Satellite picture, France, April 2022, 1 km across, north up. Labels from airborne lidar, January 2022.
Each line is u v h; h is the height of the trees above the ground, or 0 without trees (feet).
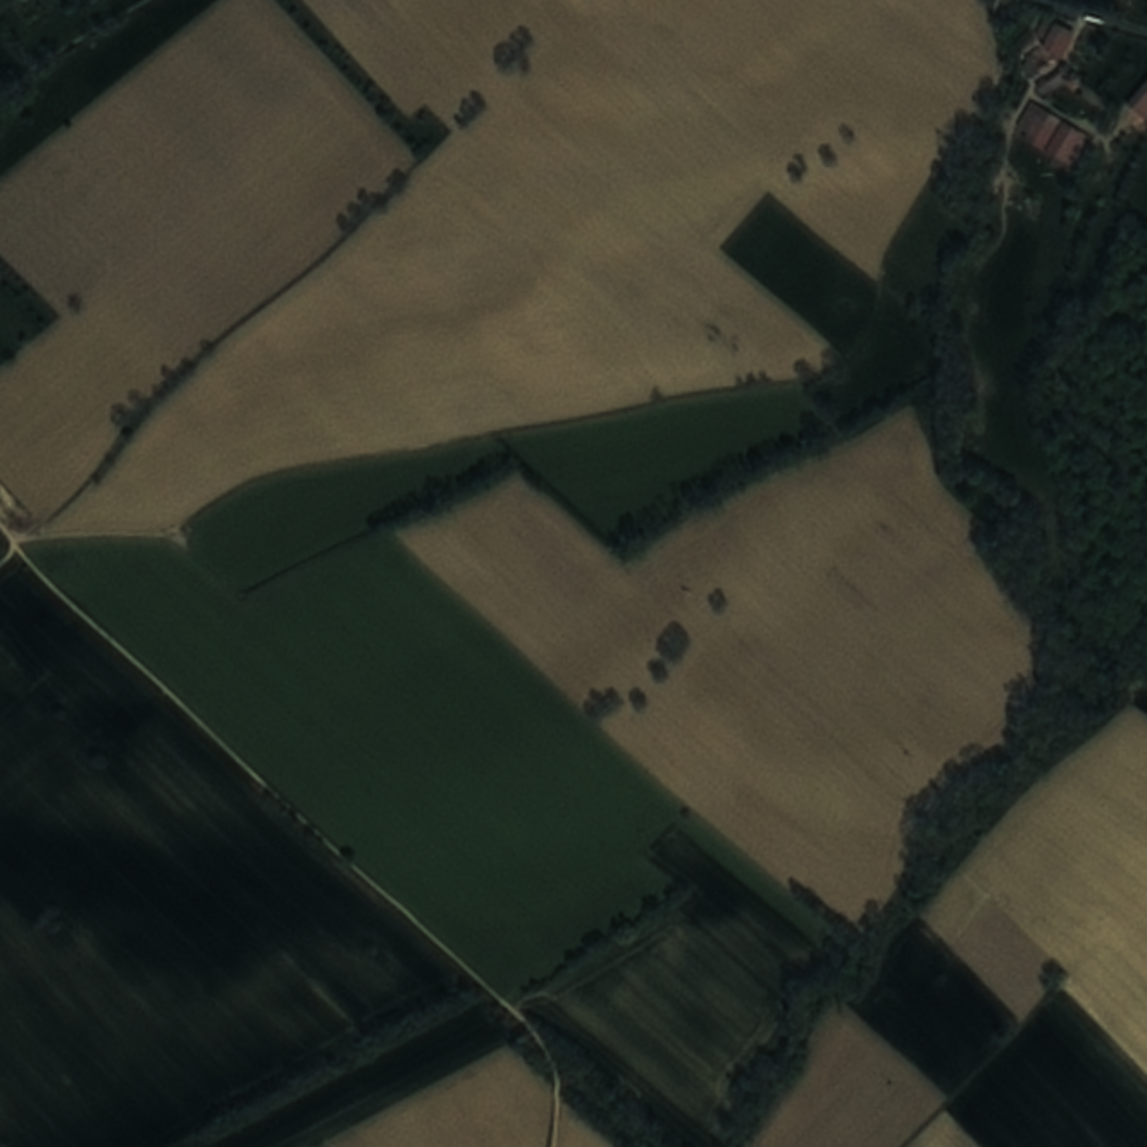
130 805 0
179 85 0
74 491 0
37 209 0
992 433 0
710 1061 0
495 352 0
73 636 0
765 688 0
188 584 0
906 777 0
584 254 0
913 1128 0
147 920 0
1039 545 104
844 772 0
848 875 0
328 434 0
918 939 0
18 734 0
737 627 0
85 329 0
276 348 0
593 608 0
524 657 0
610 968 0
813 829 0
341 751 0
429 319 0
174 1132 0
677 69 0
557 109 0
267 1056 0
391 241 0
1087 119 0
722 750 0
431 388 0
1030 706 113
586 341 0
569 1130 0
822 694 0
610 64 0
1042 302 0
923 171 0
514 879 0
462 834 0
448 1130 0
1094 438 83
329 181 0
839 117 0
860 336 0
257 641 0
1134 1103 0
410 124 0
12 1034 0
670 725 0
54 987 0
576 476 0
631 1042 0
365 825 0
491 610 0
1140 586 101
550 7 0
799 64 0
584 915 0
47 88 0
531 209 0
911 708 0
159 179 0
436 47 0
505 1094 0
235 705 0
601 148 0
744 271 0
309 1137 0
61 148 0
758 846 0
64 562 0
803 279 0
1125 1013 0
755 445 0
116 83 0
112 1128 0
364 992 0
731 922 0
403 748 0
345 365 0
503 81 0
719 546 0
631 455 0
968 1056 0
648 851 0
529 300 0
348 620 0
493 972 0
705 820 0
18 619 0
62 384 0
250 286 0
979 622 0
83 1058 0
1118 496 106
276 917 0
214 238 0
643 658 0
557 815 0
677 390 0
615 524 0
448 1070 0
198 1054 0
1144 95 0
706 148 0
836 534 0
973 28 0
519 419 0
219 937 0
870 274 0
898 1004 0
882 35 0
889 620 0
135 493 0
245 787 0
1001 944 0
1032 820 0
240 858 0
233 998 0
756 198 0
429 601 0
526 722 0
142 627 0
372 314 0
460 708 0
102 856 0
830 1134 0
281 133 0
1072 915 0
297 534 0
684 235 0
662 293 0
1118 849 0
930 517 0
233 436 0
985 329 0
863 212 0
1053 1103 0
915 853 67
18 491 0
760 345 0
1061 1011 0
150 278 0
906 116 0
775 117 0
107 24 55
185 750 0
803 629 0
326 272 0
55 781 0
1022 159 0
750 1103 91
